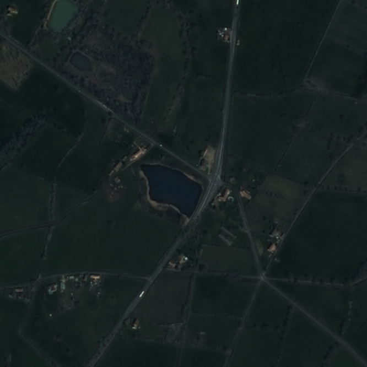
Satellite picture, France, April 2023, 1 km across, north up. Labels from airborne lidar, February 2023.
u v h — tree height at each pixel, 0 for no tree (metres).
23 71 0
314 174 0
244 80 0
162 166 0
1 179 0
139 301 0
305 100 0
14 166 0
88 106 0
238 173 0
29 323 0
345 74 0
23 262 0
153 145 0
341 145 0
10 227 0
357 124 0
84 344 0
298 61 0
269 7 0
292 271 0
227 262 0
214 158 0
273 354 0
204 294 0
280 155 0
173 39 0
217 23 0
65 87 0
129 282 0
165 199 0
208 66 0
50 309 0
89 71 0
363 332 0
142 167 0
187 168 0
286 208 0
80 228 0
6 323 0
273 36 0
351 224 0
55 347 0
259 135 0
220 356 0
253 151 0
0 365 0
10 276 0
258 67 0
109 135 0
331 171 0
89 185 0
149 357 0
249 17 0
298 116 0
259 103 0
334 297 0
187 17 19
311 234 0
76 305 8
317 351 0
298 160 0
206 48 0
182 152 0
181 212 0
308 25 0
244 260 0
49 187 0
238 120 0
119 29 0
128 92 7
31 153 0
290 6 0
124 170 0
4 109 0
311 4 0
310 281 18
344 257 0
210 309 0
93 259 0
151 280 0
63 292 0
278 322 0
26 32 0
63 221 0
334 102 0
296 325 0
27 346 0
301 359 0
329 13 0
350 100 0
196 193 0
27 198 0
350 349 0
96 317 0
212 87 0
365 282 0
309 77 0
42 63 0
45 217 0
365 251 0
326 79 0
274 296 0
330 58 0
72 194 0
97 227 0
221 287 0
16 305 0
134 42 14
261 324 0
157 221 0
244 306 0
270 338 0
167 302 0
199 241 8
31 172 0
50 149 0
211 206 6
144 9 0
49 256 0
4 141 0
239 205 16
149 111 0
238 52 0
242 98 0
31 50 15
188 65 16
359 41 0
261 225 0
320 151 0
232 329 0
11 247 0
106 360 0
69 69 0
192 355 0
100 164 0
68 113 0
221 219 0
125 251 0
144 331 0
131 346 0
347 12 0
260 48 0
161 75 0
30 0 0
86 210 0
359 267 0
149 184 0
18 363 0
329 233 0
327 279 0
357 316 0
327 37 0
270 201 0
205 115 0
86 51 15
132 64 18
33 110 0
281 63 0
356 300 0
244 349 0
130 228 0
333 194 0
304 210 0
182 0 0
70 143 0
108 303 0
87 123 0
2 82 0
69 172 0
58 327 0
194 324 0
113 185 0
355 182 0
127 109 12
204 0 0
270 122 0
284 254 0
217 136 0
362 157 0
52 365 7
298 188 0
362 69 0
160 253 0
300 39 0
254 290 0
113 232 0
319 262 0
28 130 18
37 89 0
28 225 0
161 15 0
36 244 0
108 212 0
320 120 0
